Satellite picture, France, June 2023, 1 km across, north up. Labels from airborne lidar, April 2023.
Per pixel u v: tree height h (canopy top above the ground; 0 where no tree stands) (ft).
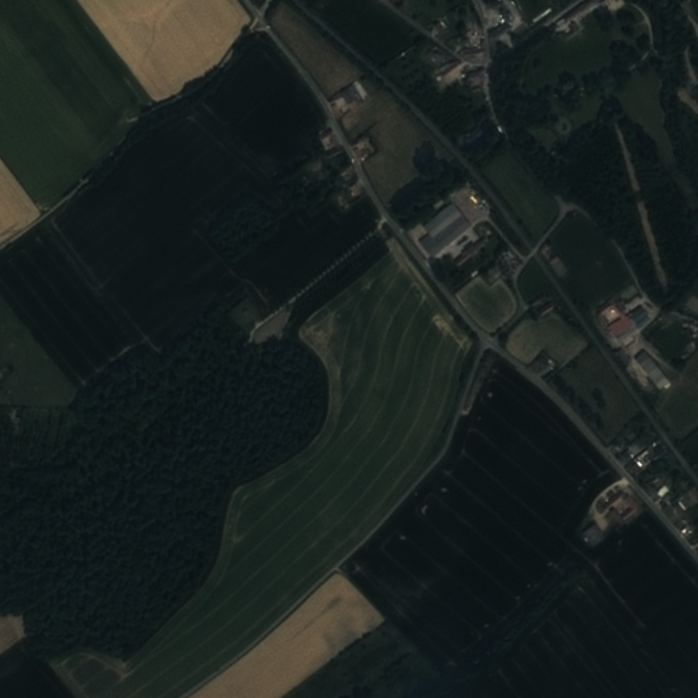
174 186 0
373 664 0
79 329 0
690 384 0
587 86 53
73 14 0
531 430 0
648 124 0
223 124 0
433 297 0
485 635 0
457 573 0
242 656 0
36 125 0
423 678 0
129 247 0
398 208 76
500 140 89
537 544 0
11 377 0
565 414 0
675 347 0
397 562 0
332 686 0
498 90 89
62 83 0
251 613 0
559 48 0
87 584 71
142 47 0
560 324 0
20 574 86
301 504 0
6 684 0
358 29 0
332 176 52
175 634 0
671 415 0
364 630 0
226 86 0
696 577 0
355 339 0
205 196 0
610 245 0
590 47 0
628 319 0
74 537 70
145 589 89
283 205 0
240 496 0
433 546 0
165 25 0
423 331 0
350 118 0
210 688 0
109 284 0
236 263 0
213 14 0
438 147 0
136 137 20
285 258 0
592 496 0
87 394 57
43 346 0
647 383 0
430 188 95
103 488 89
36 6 0
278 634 0
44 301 0
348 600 0
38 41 0
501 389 0
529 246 0
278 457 42
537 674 0
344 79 0
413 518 0
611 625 0
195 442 64
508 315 0
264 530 0
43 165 0
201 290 0
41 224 0
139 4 0
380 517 0
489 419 0
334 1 0
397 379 0
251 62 0
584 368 0
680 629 0
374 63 27
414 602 0
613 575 0
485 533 0
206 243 0
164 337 0
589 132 45
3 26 0
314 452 0
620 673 0
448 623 0
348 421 0
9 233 0
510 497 0
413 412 0
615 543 0
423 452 0
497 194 19
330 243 0
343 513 0
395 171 0
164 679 0
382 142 0
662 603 0
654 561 0
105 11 0
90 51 0
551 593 26
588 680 0
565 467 0
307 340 0
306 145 0
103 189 0
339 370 0
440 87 0
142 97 0
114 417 79
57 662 0
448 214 0
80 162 0
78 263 0
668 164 0
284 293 0
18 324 0
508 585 0
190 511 72
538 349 0
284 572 0
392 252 0
